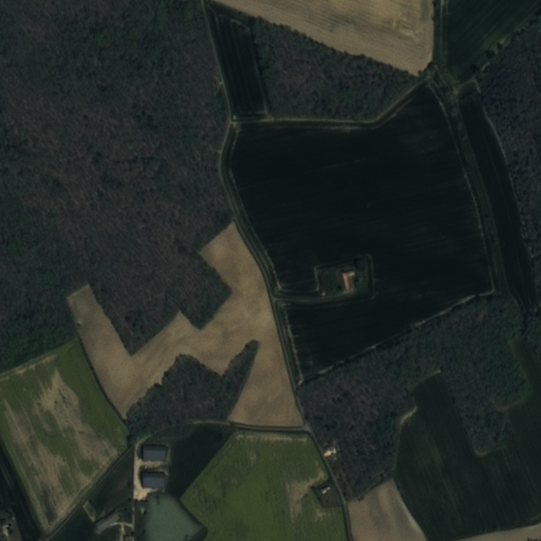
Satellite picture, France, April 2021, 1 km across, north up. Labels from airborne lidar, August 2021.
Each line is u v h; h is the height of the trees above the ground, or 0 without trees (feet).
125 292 48
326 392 52
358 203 0
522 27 0
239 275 0
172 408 51
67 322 70
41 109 42
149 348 0
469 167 0
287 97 49
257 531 0
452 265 0
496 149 0
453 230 0
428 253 0
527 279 0
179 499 0
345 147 0
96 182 52
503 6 0
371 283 0
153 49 66
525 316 0
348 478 48
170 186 71
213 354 0
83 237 33
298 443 0
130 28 83
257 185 0
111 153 48
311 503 0
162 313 44
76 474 0
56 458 0
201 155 48
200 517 0
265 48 62
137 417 54
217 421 44
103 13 46
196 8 73
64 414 0
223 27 0
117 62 62
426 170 0
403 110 0
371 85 26
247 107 0
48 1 62
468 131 0
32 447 0
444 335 65
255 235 0
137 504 40
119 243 53
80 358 0
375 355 57
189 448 0
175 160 48
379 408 48
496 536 0
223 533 0
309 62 44
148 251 49
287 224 0
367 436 55
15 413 0
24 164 69
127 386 0
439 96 0
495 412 62
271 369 0
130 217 36
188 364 61
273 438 0
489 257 0
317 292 0
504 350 88
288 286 0
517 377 76
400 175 0
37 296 70
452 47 0
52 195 58
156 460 0
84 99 60
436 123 0
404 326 0
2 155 43
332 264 0
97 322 0
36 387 0
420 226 0
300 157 0
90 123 58
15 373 0
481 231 0
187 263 50
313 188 0
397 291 0
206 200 70
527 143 34
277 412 0
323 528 0
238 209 0
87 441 0
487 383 70
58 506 0
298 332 0
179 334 0
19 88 54
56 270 69
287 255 0
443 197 0
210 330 0
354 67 55
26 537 0
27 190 79
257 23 64
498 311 43
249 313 0
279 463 0
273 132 0
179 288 40
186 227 41
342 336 0
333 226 0
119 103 63
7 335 65
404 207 0
